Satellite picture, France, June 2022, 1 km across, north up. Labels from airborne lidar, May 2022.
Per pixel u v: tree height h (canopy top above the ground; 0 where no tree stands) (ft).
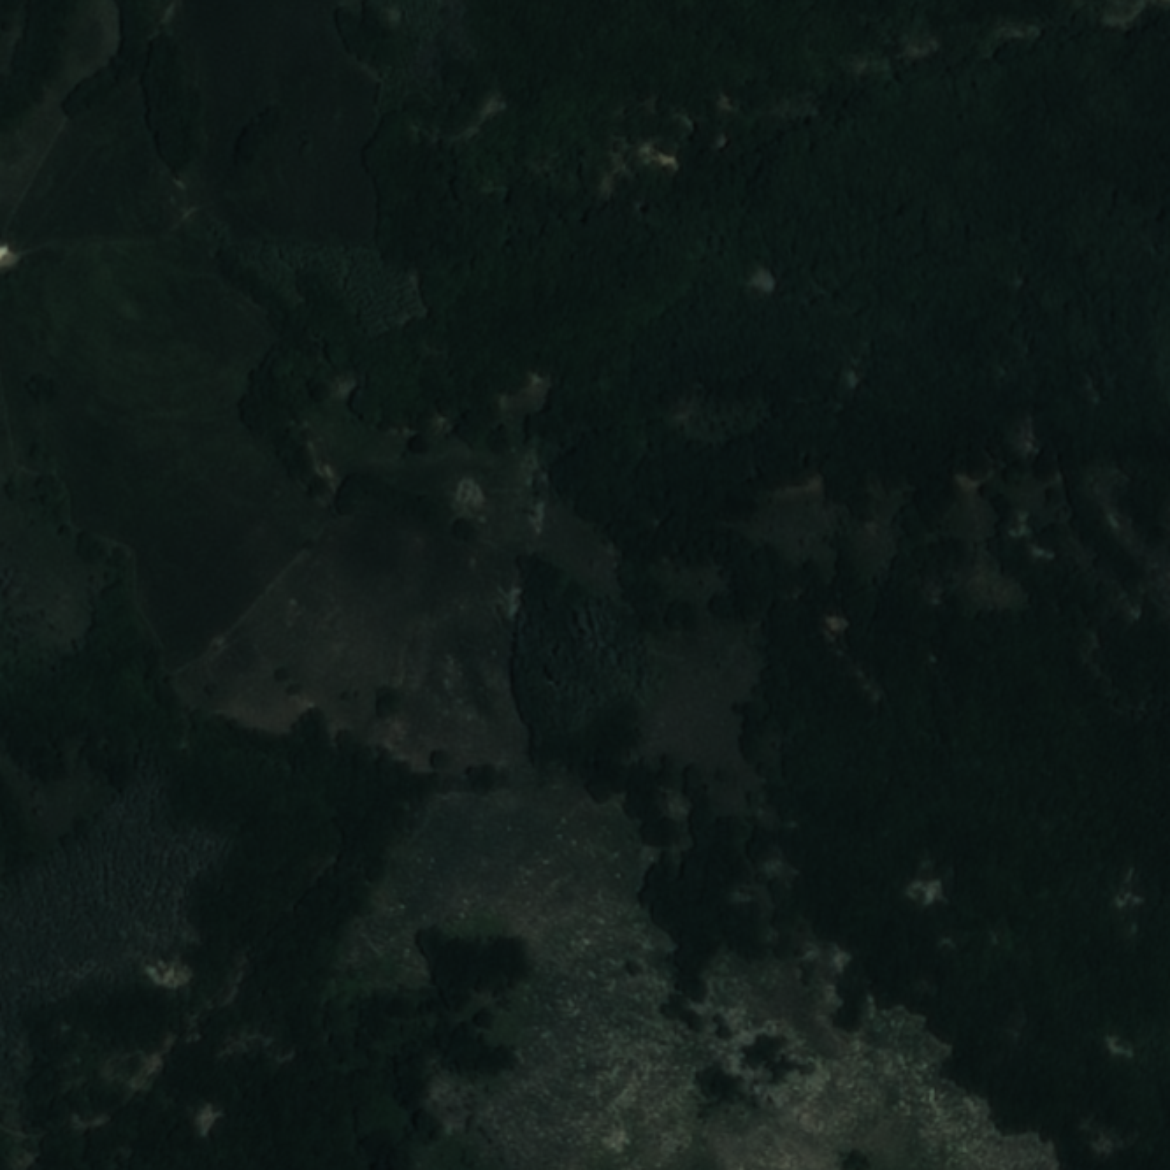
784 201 59
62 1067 31
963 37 31
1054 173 64
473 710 0
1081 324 53
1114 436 45
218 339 0
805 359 38
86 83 37
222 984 35
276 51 0
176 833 31
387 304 34
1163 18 75
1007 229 61
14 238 0
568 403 78
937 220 59
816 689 46
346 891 42
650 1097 0
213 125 0
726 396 52
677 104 70
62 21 42
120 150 0
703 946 30
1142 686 36
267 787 31
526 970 25
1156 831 82
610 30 74
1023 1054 30
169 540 0
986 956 52
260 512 0
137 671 44
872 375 42
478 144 52
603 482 41
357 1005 21
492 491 0
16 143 0
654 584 31
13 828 42
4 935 26
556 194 58
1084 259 46
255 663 0
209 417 0
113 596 47
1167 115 56
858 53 40
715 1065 20
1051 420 45
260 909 52
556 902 0
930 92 73
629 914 0
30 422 0
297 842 40
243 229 0
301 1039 68
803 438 46
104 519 0
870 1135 0
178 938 33
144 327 0
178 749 31
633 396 60
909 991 24
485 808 0
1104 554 37
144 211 0
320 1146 64
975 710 44
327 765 45
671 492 53
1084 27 58
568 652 45
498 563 0
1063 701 42
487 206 98
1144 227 41
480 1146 0
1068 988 50
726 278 52
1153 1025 42
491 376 60
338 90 0
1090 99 69
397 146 56
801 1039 0
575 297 78
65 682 37
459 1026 19
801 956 22
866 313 42
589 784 27
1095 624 32
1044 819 36
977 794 42
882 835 31
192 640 0
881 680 29
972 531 0
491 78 39
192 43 0
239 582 0
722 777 28
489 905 0
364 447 0
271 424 44
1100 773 72
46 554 0
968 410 43
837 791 28
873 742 44
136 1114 48
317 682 0
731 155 75
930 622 45
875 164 65
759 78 40
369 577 0
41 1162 39
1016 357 41
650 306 63
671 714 0
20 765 30
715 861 35
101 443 0
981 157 59
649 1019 0
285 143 0
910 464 42
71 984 23
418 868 0
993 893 52
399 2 27
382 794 44
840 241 53
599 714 50
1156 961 59
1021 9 71
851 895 39
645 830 28
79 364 0
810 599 31
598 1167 0
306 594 0
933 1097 0
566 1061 0
